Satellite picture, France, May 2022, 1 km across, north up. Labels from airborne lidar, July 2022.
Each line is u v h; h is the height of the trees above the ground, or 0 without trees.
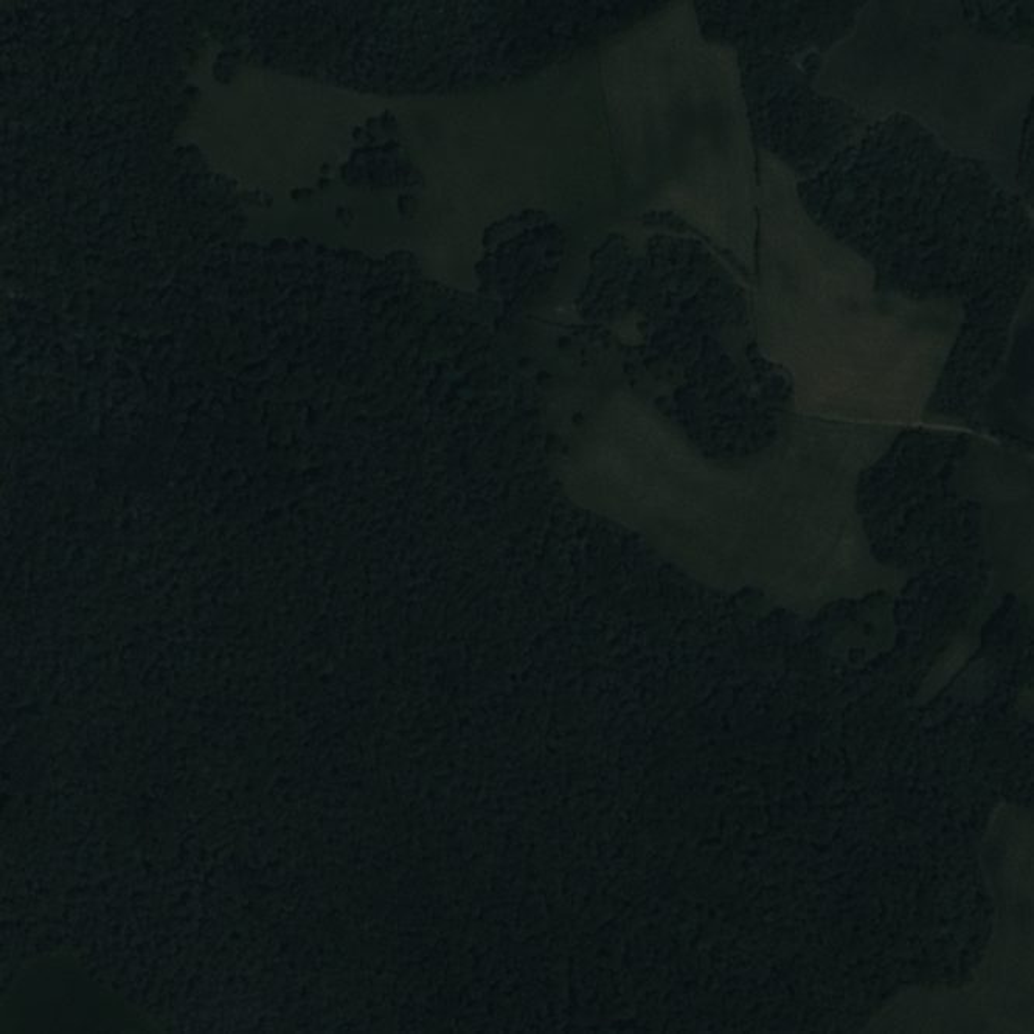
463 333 14
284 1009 21
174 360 25
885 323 0
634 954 22
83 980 0
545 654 19
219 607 25
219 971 15
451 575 22
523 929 22
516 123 0
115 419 20
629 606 20
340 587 19
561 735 19
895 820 20
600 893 21
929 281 8
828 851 21
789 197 0
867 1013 16
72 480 20
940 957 24
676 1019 24
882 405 0
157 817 26
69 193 18
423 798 22
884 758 24
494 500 13
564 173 0
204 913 15
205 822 16
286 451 32
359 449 20
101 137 17
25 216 15
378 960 21
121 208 16
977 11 16
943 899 25
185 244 16
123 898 19
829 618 13
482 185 0
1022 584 0
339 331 22
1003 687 9
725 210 0
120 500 16
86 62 20
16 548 17
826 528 0
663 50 0
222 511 22
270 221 0
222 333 27
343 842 21
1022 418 0
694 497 0
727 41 6
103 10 20
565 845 19
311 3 12
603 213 0
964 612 13
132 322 30
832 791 14
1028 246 7
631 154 0
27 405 19
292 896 23
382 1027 26
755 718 24
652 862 22
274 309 21
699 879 24
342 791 19
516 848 24
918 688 13
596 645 17
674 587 20
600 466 0
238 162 0
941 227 18
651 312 10
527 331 0
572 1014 27
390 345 20
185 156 14
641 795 21
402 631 22
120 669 15
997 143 0
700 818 26
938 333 0
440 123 0
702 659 17
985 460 0
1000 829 0
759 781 23
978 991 0
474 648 23
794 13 7
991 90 0
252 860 20
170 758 20
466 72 18
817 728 24
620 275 6
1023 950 0
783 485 0
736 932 22
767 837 24
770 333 0
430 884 22
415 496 19
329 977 20
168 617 17
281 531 20
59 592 18
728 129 0
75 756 19
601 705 20
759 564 0
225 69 10
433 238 0
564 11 24
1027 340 0
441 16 7
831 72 0
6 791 28
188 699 20
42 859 19
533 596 23
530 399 8
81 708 19
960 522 22
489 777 20
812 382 0
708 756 24
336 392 22
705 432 22
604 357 0
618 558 22
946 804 18
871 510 15
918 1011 0
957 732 19
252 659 18
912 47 0
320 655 20
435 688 22
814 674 21
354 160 9
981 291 9
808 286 0
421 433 16
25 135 19
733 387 10
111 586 19
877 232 11
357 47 9
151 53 19
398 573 21
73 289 25
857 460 0
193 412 28
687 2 0
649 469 0
